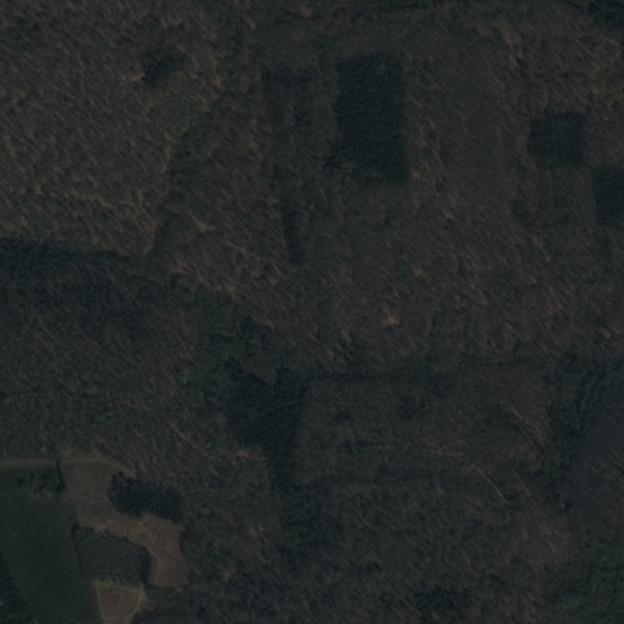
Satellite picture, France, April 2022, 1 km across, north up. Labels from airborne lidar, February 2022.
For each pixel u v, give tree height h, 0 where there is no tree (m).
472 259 34
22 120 32
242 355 23
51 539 0
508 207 30
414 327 28
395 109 24
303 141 29
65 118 30
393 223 21
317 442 22
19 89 32
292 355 23
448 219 32
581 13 25
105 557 30
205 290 25
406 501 31
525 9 24
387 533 33
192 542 26
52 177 27
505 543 29
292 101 26
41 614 0
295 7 10
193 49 29
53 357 31
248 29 27
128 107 21
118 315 28
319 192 29
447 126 33
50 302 31
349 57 25
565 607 30
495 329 28
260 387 28
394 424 19
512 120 23
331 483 24
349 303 31
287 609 27
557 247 30
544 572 20
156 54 23
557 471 16
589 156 25
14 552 0
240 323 19
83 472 0
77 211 29
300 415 21
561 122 23
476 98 30
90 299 29
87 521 0
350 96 24
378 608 25
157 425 28
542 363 28
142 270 19
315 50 30
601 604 7
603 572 9
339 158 19
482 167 28
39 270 36
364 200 28
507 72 26
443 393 19
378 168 25
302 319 29
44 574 0
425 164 29
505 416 19
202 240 30
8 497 0
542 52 9
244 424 11
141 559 29
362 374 22
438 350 28
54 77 27
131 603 0
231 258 28
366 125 22
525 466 15
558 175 26
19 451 27
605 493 31
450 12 27
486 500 26
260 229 28
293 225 17
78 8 25
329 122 26
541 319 26
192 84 24
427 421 26
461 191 29
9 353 32
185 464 27
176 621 26
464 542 32
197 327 27
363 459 18
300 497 9
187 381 29
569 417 26
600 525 34
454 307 31
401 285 31
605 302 25
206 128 28
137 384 29
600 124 26
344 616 26
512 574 26
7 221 32
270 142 27
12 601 7
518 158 30
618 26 19
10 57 26
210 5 28
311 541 24
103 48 29
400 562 29
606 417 30
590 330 30
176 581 0
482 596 29
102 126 25
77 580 0
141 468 22
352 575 29
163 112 23
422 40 27
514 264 30
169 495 25
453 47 30
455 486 26
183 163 15
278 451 24
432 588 23
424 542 28
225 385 22
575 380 21
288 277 33
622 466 30
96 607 0
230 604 27
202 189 28
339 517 21
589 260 28
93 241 32
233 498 30
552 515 28
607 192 19
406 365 22
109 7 22
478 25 29
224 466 25
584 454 25
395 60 22
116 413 29
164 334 30
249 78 30
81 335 29
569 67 26
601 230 26
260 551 29
